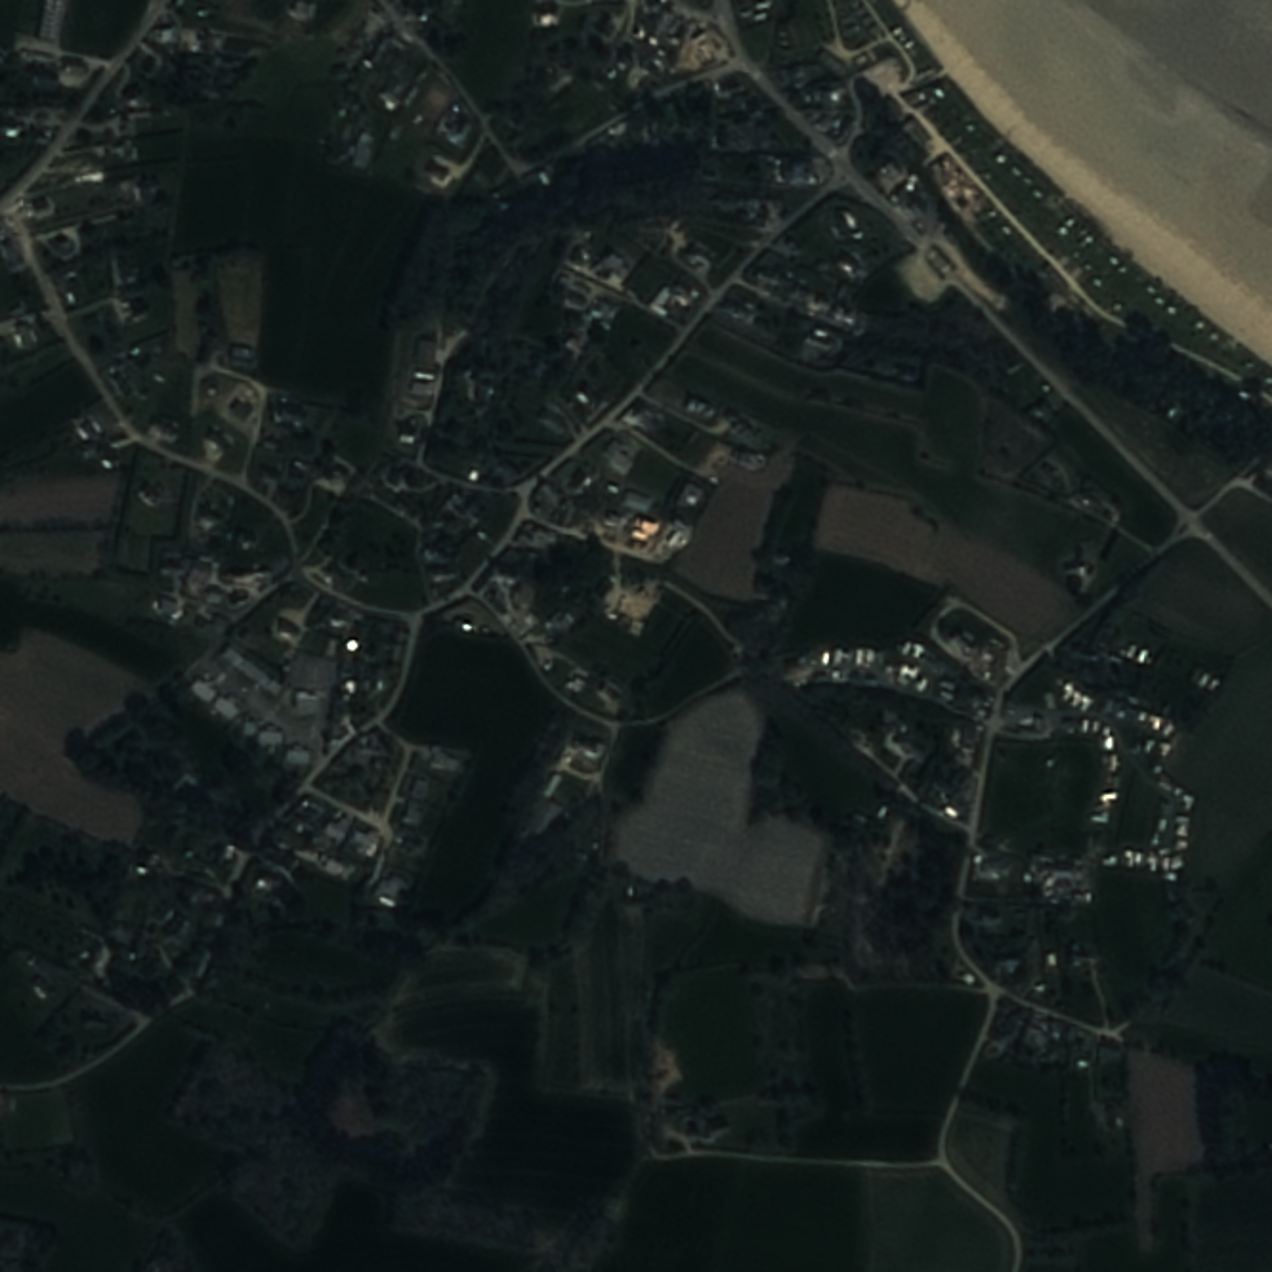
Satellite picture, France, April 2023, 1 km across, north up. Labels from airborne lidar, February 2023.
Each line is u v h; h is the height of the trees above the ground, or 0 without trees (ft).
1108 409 0
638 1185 0
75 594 0
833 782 0
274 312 0
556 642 39
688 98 27
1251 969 0
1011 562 0
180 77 26
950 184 0
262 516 0
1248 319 0
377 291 0
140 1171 0
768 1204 0
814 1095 40
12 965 0
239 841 60
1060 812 0
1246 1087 73
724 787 0
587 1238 57
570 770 0
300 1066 0
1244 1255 0
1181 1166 0
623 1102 0
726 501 0
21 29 0
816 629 0
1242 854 0
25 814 25
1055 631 0
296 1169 57
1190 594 0
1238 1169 47
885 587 0
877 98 56
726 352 0
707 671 0
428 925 49
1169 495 0
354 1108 0
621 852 0
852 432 0
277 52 0
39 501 0
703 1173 0
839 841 31
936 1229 0
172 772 69
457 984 0
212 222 0
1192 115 0
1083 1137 0
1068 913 34
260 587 0
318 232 0
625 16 0
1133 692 23
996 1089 0
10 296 0
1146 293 0
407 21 0
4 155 22
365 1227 0
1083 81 0
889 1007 0
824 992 0
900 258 0
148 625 18
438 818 0
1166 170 0
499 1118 0
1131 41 0
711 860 0
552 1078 0
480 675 0
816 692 21
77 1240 0
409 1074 42
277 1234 45
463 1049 0
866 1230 0
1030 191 0
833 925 36
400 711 0
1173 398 37
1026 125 0
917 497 0
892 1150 0
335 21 0
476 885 0
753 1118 0
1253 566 0
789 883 0
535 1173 0
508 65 0
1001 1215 0
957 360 36
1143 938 0
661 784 0
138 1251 0
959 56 0
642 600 0
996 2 0
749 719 0
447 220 83
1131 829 0
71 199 0
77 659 0
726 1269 0
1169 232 0
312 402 0
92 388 0
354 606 0
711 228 0
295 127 0
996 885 0
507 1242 55
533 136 0
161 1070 0
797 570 57
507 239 52
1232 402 56
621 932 0
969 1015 0
